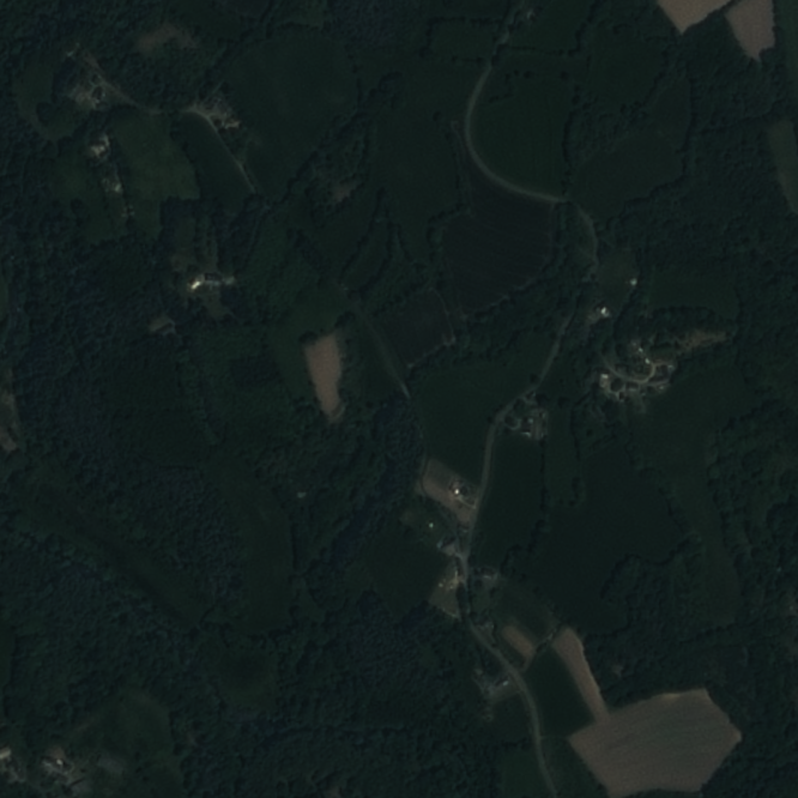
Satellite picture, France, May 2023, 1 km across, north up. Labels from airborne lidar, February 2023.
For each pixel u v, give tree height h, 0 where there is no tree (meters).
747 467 15
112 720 0
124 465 7
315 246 9
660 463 0
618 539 0
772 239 19
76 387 20
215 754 22
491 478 0
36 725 24
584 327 7
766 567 15
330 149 15
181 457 14
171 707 15
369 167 8
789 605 6
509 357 17
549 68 0
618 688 16
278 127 0
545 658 0
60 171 0
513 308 16
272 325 15
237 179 0
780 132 0
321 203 6
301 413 19
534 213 0
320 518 22
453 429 0
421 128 0
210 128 0
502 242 0
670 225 14
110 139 9
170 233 21
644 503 0
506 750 17
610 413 15
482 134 0
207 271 0
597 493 0
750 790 17
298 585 19
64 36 29
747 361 17
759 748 18
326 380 0
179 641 12
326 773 21
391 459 27
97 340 30
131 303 15
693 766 0
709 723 0
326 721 10
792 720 16
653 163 0
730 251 17
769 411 14
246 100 0
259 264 13
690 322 12
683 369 14
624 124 7
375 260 0
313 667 19
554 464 0
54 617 29
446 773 15
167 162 0
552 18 0
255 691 0
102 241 0
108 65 18
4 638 0
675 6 0
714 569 0
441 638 12
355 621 15
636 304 16
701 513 0
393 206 19
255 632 0
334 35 15
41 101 0
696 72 14
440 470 0
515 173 0
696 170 9
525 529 0
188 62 6
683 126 0
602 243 8
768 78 6
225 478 0
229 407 15
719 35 12
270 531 0
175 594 0
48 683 26
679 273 14
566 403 14
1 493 8
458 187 8
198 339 16
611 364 0
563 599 0
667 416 0
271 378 24
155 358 26
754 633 18
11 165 13
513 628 0
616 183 0
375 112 6
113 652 17
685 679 6
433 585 0
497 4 0
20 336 12
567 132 13
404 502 14
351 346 8
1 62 22
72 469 9
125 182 12
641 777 0
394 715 12
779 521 16
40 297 22
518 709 0
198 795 18
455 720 21
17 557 20
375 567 0
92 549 0
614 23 9
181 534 12
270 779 17
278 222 17
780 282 19
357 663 32
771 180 11
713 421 0
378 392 0
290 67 0
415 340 0
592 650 13
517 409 10
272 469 6
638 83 0
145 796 0
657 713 0
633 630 11
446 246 0
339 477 18
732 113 15
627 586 13
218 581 20
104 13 26
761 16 0
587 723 0
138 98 13
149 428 13
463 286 0
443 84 0
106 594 14
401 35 15
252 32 11
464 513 0
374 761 28
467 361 18
